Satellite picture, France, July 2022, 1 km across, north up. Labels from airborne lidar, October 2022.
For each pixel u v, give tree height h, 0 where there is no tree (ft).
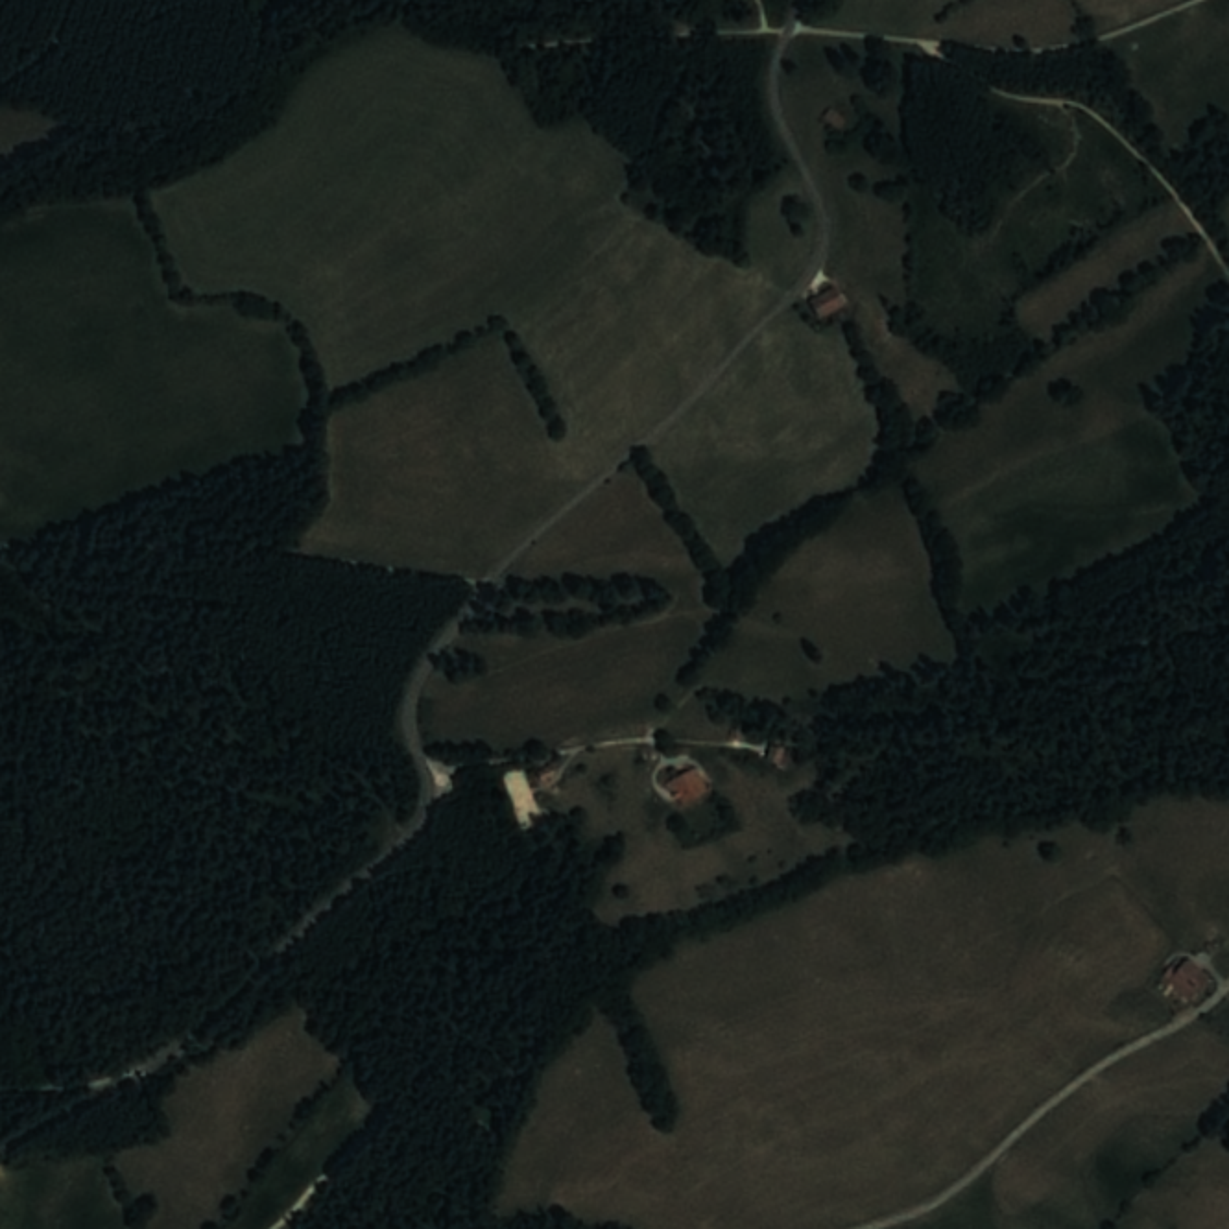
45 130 0
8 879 74
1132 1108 0
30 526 0
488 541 0
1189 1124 0
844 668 0
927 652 0
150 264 0
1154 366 0
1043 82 33
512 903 74
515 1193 0
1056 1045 0
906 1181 0
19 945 81
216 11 71
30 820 88
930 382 0
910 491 51
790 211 55
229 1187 0
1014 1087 0
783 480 0
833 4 78
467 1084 112
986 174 43
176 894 105
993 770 42
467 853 39
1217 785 69
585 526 0
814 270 0
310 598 48
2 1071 39
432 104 0
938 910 0
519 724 0
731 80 49
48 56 53
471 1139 108
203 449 0
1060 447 0
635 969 71
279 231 0
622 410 0
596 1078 0
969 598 0
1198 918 0
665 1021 0
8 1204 0
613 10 69
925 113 56
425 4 64
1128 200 0
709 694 23
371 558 0
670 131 74
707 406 0
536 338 0
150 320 0
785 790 0
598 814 0
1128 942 0
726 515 0
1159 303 0
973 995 0
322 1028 55
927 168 56
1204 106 0
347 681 62
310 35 64
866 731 120
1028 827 76
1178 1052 0
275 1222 0
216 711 78
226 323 0
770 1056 0
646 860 0
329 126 0
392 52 0
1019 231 0
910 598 0
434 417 0
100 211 0
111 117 58
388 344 0
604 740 0
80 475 0
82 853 86
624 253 0
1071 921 0
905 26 0
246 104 45
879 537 0
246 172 0
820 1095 0
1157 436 0
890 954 0
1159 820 0
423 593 42
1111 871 0
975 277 0
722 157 99
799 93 0
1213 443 59
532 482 0
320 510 56
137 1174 0
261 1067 0
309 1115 64
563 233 0
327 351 0
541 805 0
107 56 71
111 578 76
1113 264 0
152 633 69
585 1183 0
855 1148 0
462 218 0
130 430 0
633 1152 0
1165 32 0
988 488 0
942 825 68
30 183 60
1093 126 0
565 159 0
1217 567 102
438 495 0
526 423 0
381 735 62
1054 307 0
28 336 0
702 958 0
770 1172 0
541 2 89
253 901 104
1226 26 0
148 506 80
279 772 89
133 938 92
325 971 31
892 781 40
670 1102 66
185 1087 0
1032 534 0
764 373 0
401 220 0
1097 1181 0
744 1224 0
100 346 0
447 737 0
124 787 55
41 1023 80
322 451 59
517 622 56
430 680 0
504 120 0
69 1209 0
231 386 0
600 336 0
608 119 49
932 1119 0
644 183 74
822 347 0
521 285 0
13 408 0
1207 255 0
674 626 0
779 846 0
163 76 66
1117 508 0
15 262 0
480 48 42
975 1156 0
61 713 87
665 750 54
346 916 40
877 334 0
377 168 0
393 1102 87
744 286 0
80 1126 57
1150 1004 0
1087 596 72
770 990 0
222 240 0
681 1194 0
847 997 0
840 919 0
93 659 82
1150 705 52
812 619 0
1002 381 66
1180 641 67
